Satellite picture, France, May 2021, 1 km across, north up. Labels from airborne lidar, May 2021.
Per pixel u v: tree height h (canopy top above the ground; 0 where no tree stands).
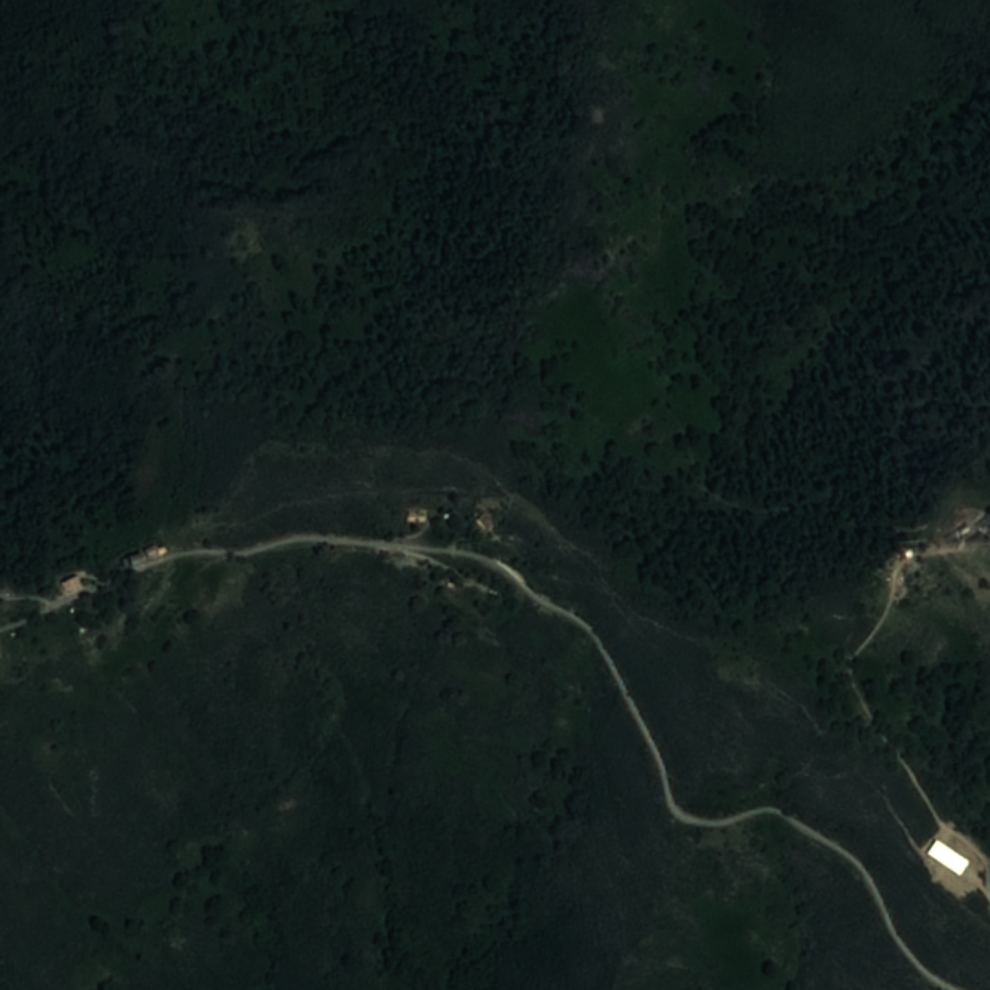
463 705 13
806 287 22
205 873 17
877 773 0
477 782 0
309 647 10
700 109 0
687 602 15
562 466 19
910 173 17
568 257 7
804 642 8
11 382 9
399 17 15
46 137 7
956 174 17
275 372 13
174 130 14
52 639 0
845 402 19
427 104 9
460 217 15
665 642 0
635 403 0
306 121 8
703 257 18
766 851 6
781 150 8
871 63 9
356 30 19
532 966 6
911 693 19
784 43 7
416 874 6
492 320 11
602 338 0
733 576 13
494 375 12
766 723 0
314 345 16
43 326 10
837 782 0
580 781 14
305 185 7
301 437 9
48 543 12
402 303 13
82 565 10
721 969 0
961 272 10
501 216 19
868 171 19
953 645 0
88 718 0
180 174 8
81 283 12
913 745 18
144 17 13
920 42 7
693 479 22
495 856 6
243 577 0
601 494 18
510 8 9
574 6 8
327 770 9
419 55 16
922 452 14
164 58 9
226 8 20
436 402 14
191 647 0
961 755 8
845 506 17
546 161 8
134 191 9
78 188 16
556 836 21
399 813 5
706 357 17
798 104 8
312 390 11
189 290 8
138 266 8
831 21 8
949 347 9
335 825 6
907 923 0
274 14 7
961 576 0
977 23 16
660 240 0
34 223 9
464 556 0
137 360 8
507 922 15
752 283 21
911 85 7
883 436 12
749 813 0
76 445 17
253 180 6
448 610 12
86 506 10
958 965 0
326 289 15
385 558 10
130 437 7
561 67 15
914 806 0
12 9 13
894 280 11
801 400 12
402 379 17
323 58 14
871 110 7
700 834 7
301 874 7
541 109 19
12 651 0
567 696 8
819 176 7
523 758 10
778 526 16
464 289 17
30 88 8
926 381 17
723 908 0
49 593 7
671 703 0
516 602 11
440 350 14
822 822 6
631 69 6
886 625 0
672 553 20
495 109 9
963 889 0
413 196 18
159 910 0
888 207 22
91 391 6
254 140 9
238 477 0
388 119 16
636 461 19
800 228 6
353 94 9
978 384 26
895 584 0
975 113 20
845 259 22
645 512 17
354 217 9
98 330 9
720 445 21
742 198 14
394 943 23
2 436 19
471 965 10
